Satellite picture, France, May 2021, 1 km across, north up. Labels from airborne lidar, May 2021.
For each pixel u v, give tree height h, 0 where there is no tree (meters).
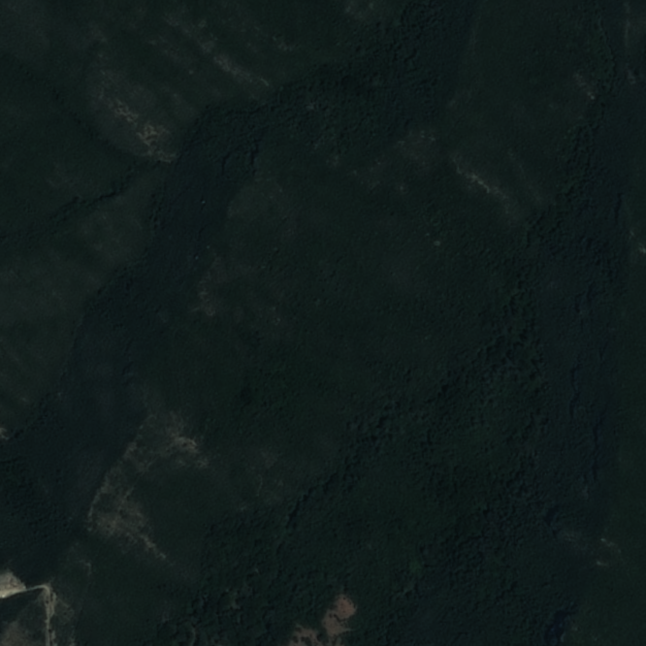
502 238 10
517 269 9
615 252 11
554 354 7
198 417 6
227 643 16
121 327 12
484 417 17
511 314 24
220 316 6
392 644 19
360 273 6
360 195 6
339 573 7
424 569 19
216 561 14
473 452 8
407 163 9
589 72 6
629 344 6
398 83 7
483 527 12
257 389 11
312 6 6
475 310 10
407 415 11
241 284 6
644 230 6
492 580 8
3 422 7
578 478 5
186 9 8
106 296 10
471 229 9
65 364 7
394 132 7
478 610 7
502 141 6
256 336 11
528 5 6
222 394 6
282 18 6
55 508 5
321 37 7
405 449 8
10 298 0
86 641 5
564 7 7
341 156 7
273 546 13
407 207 7
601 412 6
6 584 0
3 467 12
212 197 5
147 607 5
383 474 7
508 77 5
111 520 0
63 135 6
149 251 13
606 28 6
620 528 6
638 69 13
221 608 13
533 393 10
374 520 8
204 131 9
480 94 10
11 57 12
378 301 6
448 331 6
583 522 6
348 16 6
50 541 6
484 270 9
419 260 7
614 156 6
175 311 6
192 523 6
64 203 6
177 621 10
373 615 6
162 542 6
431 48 8
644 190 6
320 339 7
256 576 15
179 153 6
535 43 7
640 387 5
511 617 9
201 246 5
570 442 9
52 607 0
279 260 8
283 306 6
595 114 19
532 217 6
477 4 7
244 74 0
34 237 7
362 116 7
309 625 10
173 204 7
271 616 20
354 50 6
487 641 7
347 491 9
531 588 8
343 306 10
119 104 0
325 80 22
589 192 8
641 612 6
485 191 6
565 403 7
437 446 9
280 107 13
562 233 10
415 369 17
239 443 6
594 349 6
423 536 11
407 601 22
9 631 0
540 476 9
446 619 11
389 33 18
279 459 5
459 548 15
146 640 9
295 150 6
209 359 6
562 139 6
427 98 8
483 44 6
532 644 9
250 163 8
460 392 11
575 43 6
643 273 6
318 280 7
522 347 27
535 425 24
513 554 11
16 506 11
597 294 10
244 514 13
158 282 6
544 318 6
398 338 6
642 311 6
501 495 16
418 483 9
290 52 6
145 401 0
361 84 17
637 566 5
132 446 0
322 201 5
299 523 13
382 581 8
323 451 6
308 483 15
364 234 8
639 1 6
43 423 10
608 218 13
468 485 15
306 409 7
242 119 12
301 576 6
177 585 6
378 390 12
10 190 8
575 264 6
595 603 6
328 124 8
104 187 7
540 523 7
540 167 7
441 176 8
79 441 6
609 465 7
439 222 10
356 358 6
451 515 11
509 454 8
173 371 5
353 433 9
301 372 9
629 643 6
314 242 8
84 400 6
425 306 10
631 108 5
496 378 19
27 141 6
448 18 9
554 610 6
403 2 6
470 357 22
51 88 8
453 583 16
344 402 6
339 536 13
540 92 5
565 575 7
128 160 7
